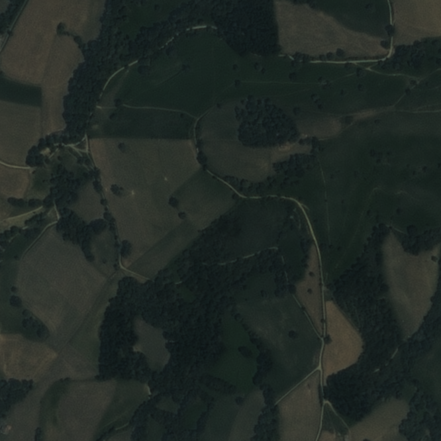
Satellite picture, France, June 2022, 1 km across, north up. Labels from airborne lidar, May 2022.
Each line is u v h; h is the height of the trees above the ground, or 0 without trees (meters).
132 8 0
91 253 17
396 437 0
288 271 8
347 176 0
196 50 0
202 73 0
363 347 10
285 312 0
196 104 0
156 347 0
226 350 15
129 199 0
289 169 20
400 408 0
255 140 18
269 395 19
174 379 20
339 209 0
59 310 0
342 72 0
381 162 13
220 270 12
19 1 14
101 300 0
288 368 0
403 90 0
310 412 0
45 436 0
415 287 0
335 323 0
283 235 15
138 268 0
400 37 0
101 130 0
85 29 0
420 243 12
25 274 0
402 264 0
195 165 0
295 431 0
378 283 11
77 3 0
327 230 0
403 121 0
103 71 22
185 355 25
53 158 0
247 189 14
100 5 0
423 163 0
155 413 18
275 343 0
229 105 0
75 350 0
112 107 0
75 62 0
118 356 26
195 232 0
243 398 13
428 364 0
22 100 0
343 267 0
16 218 0
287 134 20
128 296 25
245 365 0
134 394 0
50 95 0
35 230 10
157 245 0
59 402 0
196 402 11
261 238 0
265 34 32
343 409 29
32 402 0
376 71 0
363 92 11
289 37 0
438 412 13
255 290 0
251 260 7
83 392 0
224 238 12
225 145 0
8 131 0
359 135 0
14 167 0
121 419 0
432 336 7
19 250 0
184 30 12
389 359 11
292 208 9
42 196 0
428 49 0
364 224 0
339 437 0
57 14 0
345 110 0
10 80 0
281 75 0
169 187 0
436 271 0
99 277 0
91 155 0
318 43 0
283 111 11
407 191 0
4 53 0
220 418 0
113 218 14
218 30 9
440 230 10
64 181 16
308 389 0
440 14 0
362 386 22
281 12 0
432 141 0
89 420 0
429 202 0
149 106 0
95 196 0
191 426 0
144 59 16
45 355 0
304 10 0
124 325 25
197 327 26
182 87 0
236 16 30
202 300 23
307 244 16
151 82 0
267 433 14
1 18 14
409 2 0
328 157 0
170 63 0
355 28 0
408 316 0
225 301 24
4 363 0
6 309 0
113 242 0
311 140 8
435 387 0
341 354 0
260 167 0
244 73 0
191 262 15
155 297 17
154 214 0
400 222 0
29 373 0
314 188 0
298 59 14
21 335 0
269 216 0
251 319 0
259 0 7
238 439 0
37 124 0
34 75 0
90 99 21
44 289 0
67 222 24
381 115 0
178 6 0
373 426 0
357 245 0
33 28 0
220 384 14
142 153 0
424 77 0
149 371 17
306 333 0
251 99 17
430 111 0
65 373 0
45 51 0
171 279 14
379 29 0
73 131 20
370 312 6
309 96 0
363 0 0
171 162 0
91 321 0
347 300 8
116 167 0
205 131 0
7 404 13
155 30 22
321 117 0
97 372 0
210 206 0
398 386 13
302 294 0
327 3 0
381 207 0
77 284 0
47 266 0
